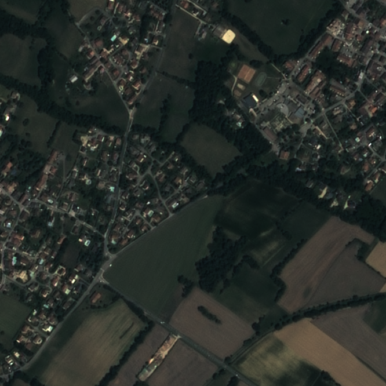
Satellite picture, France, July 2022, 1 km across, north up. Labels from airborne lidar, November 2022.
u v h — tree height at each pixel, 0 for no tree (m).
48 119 0
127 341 0
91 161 0
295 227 0
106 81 0
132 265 0
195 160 16
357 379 0
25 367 0
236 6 0
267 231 0
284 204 0
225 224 0
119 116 0
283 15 0
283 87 0
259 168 15
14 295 0
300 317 12
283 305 0
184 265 0
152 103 0
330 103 8
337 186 19
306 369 0
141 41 8
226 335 0
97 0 0
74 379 0
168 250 0
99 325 0
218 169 0
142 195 0
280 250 0
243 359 0
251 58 0
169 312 0
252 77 0
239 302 0
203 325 0
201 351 0
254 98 0
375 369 0
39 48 0
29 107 0
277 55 12
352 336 0
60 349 0
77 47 0
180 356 0
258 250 0
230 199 0
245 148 20
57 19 0
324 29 26
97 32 0
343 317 0
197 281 0
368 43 0
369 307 0
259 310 0
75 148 0
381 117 7
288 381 0
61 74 0
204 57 0
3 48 0
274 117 0
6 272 9
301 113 0
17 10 0
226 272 13
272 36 0
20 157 12
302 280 0
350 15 6
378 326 0
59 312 11
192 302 0
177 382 0
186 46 0
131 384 0
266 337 0
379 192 0
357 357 0
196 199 11
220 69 19
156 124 0
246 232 0
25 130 0
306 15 0
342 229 0
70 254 0
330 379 11
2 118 12
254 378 0
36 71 0
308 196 17
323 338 0
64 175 0
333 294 0
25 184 13
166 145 18
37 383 22
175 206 0
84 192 7
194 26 0
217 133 9
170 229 0
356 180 15
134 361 0
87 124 18
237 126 0
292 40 0
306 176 18
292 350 0
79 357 0
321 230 0
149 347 0
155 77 0
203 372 0
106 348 0
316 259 0
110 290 13
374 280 0
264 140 20
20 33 18
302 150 12
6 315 0
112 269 0
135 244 0
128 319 0
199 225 0
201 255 0
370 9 8
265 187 0
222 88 17
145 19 17
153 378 0
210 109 26
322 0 0
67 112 21
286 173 16
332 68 8
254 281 0
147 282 0
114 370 16
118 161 10
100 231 11
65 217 8
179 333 0
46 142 0
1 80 18
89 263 15
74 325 0
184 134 12
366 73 8
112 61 0
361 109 0
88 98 0
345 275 0
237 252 17
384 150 0
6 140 12
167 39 0
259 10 0
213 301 0
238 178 14
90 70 0
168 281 0
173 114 0
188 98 0
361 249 9
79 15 0
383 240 18
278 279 13
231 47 10
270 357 0
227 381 0
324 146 10
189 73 0
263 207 0
